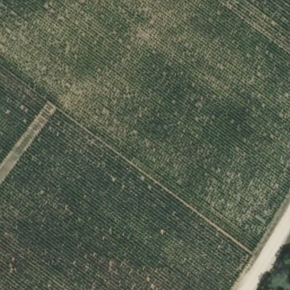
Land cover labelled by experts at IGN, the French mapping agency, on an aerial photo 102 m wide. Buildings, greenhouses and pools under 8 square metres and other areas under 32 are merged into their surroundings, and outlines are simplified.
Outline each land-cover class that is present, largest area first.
<instances>
[{"label":"vineyard","instance_id":"1","mask_svg":"<svg viewBox=\"0 0 290 290\"><path fill-rule=\"evenodd\" d=\"M51 102L56 106V111L35 136L28 150L19 157V161L0 186V290H238L237 280L240 274H247L251 270L290 204V0H0V163L31 125L44 104Z\"/></svg>","mask_w":290,"mask_h":290},{"label":"pervious surface","instance_id":"2","mask_svg":"<svg viewBox=\"0 0 290 290\"><path fill-rule=\"evenodd\" d=\"M290 233V204L251 270L247 274H240L237 280L238 290H256L261 276L271 270L276 254Z\"/></svg>","mask_w":290,"mask_h":290},{"label":"herbaceous vegetation","instance_id":"3","mask_svg":"<svg viewBox=\"0 0 290 290\"><path fill-rule=\"evenodd\" d=\"M56 111V106L51 102L44 104L31 125L0 163V186L19 161V157L28 150L35 136Z\"/></svg>","mask_w":290,"mask_h":290},{"label":"coniferous trees","instance_id":"4","mask_svg":"<svg viewBox=\"0 0 290 290\"><path fill-rule=\"evenodd\" d=\"M256 290H290V233L276 254L271 270L261 276Z\"/></svg>","mask_w":290,"mask_h":290}]
</instances>
